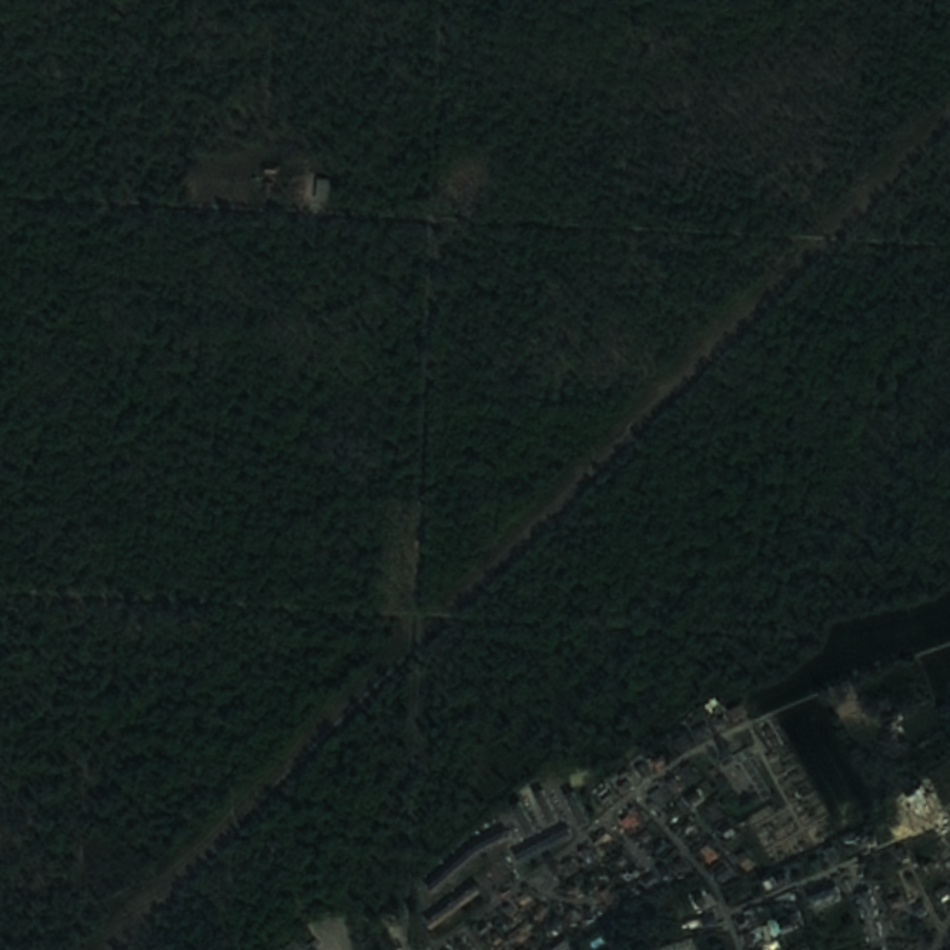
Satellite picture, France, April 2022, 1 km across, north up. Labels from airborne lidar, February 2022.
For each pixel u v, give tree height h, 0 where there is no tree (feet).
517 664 77
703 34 64
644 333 73
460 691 77
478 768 80
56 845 53
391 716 80
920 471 84
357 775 75
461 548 59
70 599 78
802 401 45
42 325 54
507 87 39
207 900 85
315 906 69
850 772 0
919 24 55
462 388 64
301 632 74
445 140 60
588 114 48
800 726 0
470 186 0
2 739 42
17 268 61
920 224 46
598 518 65
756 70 52
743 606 71
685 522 76
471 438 70
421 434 41
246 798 0
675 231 53
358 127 70
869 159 39
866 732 0
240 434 58
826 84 33
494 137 56
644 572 75
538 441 64
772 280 0
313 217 62
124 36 71
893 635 0
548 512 0
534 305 64
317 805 71
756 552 92
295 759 0
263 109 61
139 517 62
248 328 62
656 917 69
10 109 45
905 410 77
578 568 63
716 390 72
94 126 60
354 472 61
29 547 21
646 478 70
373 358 62
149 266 46
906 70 61
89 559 41
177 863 0
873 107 56
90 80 48
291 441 72
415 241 62
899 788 80
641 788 0
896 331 80
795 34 68
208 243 60
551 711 73
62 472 62
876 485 81
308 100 73
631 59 73
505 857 0
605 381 69
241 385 69
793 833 0
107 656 56
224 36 47
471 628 64
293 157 61
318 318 74
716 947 34
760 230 49
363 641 63
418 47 71
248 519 67
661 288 56
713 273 64
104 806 77
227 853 52
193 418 63
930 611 0
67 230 62
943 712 40
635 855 0
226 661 54
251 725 56
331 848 53
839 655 0
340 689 60
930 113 55
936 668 0
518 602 53
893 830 0
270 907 84
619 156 53
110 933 0
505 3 73
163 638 56
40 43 47
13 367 59
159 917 49
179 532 51
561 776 0
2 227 61
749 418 63
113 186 63
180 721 71
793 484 82
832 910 0
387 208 63
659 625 78
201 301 52
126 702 76
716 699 0
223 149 57
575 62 67
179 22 75
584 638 66
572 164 49
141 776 59
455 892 0
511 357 57
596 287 64
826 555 88
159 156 48
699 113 33
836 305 80
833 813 0
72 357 64
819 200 59
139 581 67
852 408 78
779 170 53
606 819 0
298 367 69
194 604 48
